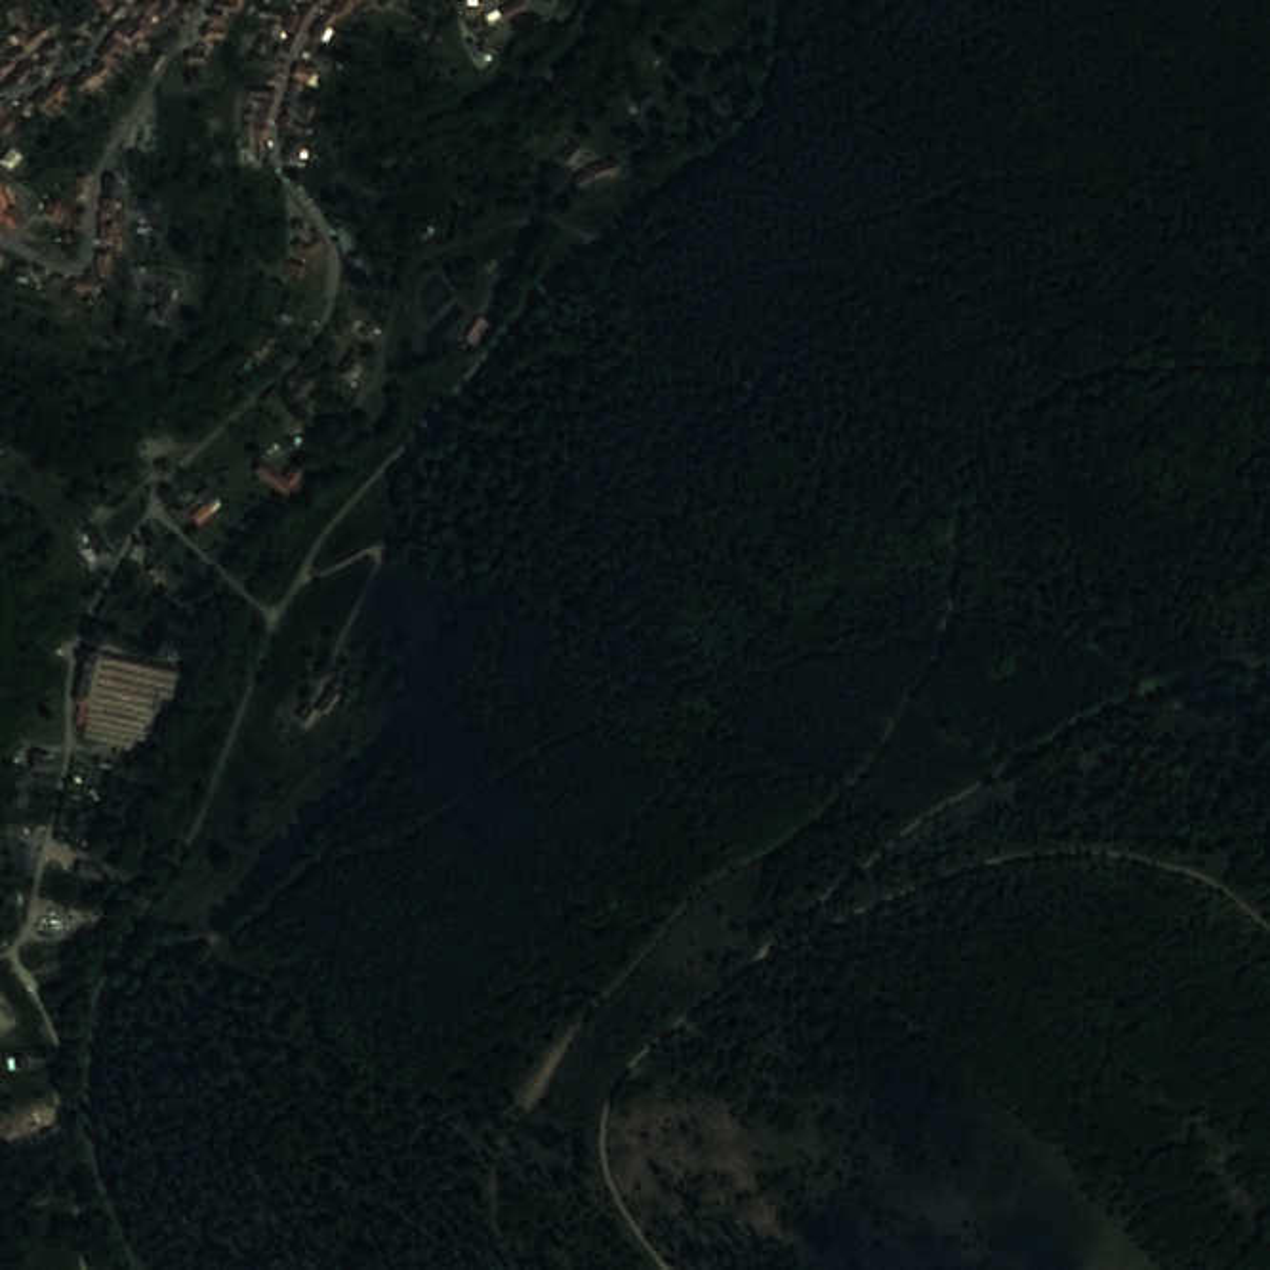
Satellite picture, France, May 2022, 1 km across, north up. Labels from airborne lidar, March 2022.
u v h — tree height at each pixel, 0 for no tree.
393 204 9
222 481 7
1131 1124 8
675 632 24
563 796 17
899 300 19
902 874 6
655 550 22
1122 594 23
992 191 24
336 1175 30
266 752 0
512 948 17
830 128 26
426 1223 28
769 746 20
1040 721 21
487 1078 12
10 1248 24
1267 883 13
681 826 16
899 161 28
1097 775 9
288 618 0
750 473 22
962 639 16
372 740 0
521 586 21
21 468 0
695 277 27
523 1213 9
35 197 0
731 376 20
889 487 18
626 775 20
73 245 7
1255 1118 9
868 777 8
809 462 28
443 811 18
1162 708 10
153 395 15
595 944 13
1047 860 8
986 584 19
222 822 0
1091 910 9
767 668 17
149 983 17
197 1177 24
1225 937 6
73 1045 17
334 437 22
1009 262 25
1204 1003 10
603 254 17
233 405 9
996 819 8
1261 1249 9
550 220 12
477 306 0
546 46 13
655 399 30
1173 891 7
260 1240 27
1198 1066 10
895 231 20
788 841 6
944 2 28
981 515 20
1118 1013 8
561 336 31
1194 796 7
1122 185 26
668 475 30
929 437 27
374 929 19
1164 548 24
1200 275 25
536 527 24
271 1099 10
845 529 22
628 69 21
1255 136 29
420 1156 18
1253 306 26
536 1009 7
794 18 19
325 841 19
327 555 0
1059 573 18
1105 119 25
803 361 21
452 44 0
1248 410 30
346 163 0
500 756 21
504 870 20
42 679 7
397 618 0
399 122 0
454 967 17
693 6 24
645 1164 0
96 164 0
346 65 12
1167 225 24
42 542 15
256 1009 40
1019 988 9
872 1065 6
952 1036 10
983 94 23
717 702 19
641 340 18
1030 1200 0
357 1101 34
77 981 15
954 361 21
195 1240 25
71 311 0
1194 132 27
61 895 0
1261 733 21
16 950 0
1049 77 26
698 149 19
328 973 20
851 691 20
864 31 21
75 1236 15
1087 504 23
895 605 28
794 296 22
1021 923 9
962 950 7
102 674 0
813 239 26
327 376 6
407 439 0
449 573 26
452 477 21
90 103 7
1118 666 16
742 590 24
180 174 8
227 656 22
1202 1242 8
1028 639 20
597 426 33
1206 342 24
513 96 16
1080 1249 0
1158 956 6
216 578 15
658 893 12
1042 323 24
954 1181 0
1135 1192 7
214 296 9
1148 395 26
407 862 19
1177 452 30
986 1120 0
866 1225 0
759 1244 27
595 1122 0
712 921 0
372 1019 20
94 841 16
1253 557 26
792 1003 7
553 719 21
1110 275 25
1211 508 27
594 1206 26
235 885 0
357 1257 26
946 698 18
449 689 18
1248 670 12
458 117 8
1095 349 22
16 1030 0
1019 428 20
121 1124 26
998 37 27
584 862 18
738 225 29
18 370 12
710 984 0
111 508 0
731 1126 0
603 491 30
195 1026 32
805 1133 0
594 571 24
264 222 7
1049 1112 8
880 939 9
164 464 8
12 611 15
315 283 0
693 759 17
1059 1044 11
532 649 22
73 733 0
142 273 0
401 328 0
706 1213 15
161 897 18
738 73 16
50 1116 34
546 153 0
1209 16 32
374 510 0
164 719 17
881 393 21
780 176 25
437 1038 18
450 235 10
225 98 0
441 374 0
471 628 22
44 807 0
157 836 19
